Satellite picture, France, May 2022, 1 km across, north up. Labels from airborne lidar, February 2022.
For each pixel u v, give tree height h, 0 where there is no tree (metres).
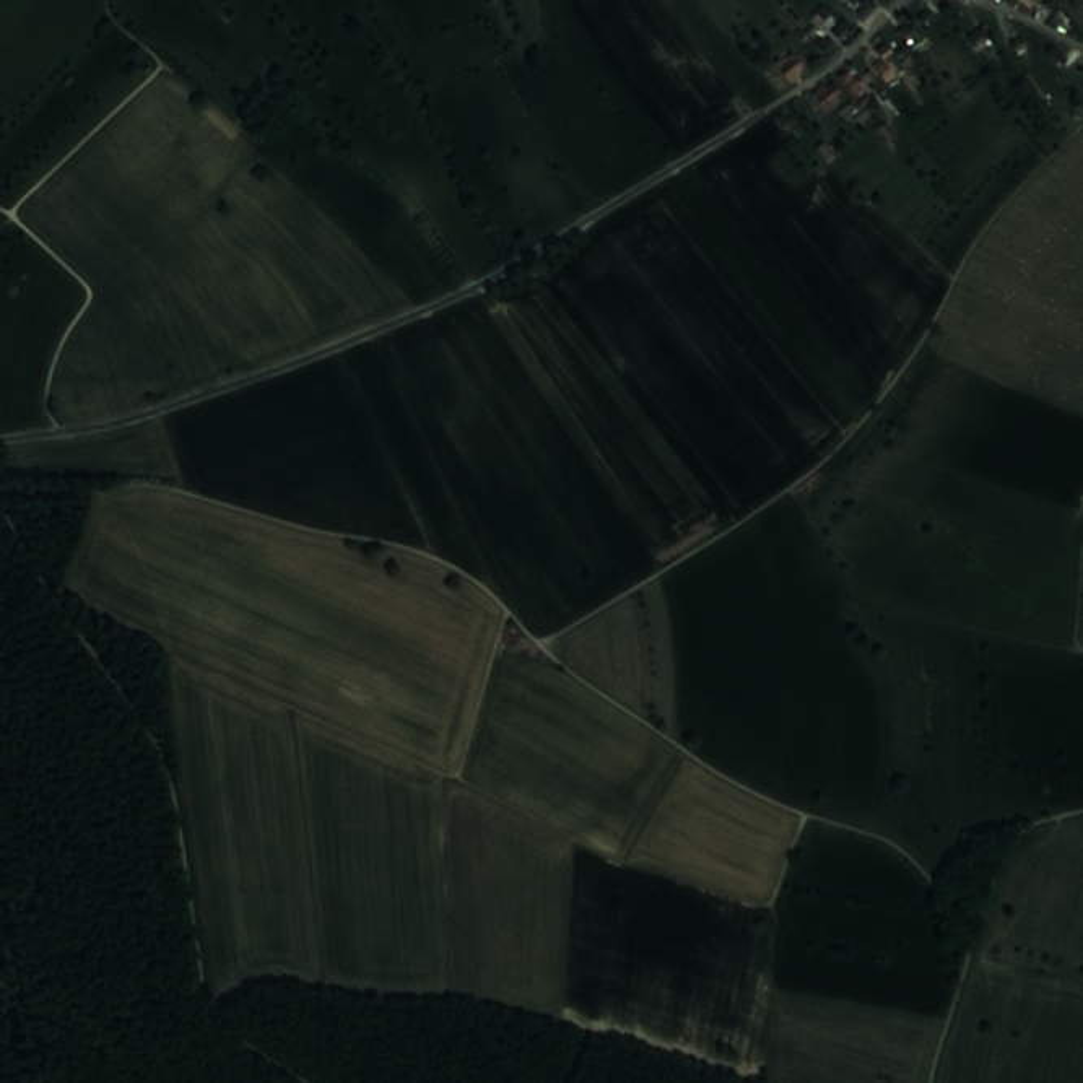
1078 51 0
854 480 0
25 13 0
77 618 20
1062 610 0
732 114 0
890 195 0
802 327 0
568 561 0
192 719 0
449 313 0
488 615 0
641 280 0
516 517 0
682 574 0
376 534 0
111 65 0
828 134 0
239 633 0
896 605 0
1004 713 0
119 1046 23
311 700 0
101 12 0
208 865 0
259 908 0
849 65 7
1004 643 0
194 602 0
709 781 0
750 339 0
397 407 0
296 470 0
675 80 0
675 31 0
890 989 0
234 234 0
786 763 0
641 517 0
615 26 0
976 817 0
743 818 0
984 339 0
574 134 0
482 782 0
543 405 0
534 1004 0
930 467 0
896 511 0
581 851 0
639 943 0
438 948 0
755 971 0
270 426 0
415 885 0
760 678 0
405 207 0
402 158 0
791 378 0
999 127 0
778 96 0
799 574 0
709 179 0
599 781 0
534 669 0
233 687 0
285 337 0
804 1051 0
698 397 0
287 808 0
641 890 0
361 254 0
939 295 0
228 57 0
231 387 0
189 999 23
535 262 18
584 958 0
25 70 0
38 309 0
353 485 0
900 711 0
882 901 0
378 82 0
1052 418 0
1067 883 0
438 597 0
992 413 0
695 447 0
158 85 0
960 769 0
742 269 0
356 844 0
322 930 0
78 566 0
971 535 0
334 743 0
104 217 0
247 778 0
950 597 0
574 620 0
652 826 0
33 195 0
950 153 0
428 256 0
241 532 0
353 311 0
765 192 0
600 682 0
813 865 0
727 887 0
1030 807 0
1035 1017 0
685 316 0
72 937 22
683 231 0
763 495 0
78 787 24
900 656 0
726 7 0
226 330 0
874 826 0
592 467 0
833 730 0
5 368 0
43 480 21
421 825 0
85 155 0
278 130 14
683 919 0
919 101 0
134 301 0
